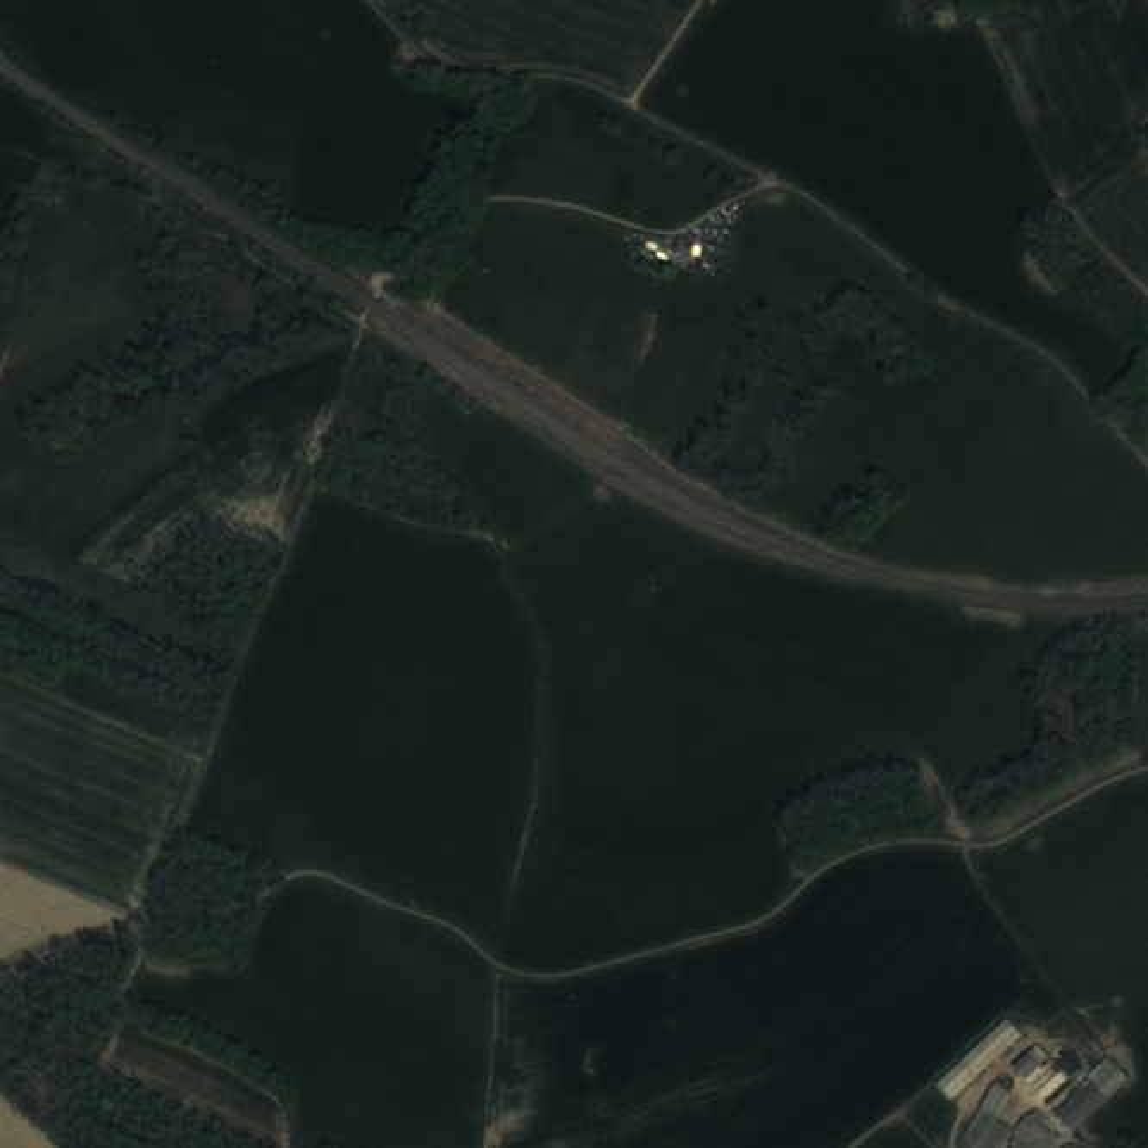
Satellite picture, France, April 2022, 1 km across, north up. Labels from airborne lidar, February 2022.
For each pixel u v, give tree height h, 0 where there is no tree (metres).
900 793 26
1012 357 0
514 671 0
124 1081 24
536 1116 0
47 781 0
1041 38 0
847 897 0
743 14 0
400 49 0
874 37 0
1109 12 0
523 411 0
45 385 0
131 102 0
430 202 19
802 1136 0
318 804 0
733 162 0
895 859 0
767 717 0
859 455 0
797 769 0
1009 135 0
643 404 0
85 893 0
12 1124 0
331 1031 0
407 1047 0
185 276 29
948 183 0
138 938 23
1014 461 0
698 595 0
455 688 0
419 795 0
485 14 0
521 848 0
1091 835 0
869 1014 0
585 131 0
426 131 0
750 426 0
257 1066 15
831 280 0
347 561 0
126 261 0
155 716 0
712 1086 0
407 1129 0
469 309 0
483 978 0
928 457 0
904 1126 0
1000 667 0
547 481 0
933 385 0
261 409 0
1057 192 0
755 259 0
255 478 0
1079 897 0
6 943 0
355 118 0
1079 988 0
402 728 0
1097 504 0
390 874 0
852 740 0
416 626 0
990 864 0
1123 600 0
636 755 0
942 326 0
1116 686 25
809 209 0
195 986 0
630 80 0
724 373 0
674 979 0
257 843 0
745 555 0
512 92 21
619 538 0
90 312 0
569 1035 0
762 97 0
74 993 26
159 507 0
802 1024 0
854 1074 0
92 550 0
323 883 0
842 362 0
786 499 0
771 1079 0
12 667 19
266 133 0
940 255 0
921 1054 0
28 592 20
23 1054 28
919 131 0
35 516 0
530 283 0
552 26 0
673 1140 0
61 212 0
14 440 0
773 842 0
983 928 0
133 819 0
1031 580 0
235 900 22
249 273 25
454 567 0
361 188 0
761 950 0
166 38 0
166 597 25
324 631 0
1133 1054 0
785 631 0
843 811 20
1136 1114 0
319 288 16
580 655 0
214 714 15
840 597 0
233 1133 26
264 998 0
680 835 0
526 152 0
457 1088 0
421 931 0
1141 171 0
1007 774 13
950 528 0
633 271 0
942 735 0
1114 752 27
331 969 0
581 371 0
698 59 0
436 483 26
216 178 9
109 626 23
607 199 0
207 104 0
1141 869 0
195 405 27
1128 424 18
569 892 0
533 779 0
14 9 0
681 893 0
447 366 0
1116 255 0
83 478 0
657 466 0
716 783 0
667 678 0
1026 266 0
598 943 0
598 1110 0
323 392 0
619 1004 0
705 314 0
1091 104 0
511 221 0
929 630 0
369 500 16
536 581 0
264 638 0
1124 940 0
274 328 24
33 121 0
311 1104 0
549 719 0
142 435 0
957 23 0
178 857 19
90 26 0
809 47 0
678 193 0
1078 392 0
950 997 0
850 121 0
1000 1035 0
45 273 0
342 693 0
